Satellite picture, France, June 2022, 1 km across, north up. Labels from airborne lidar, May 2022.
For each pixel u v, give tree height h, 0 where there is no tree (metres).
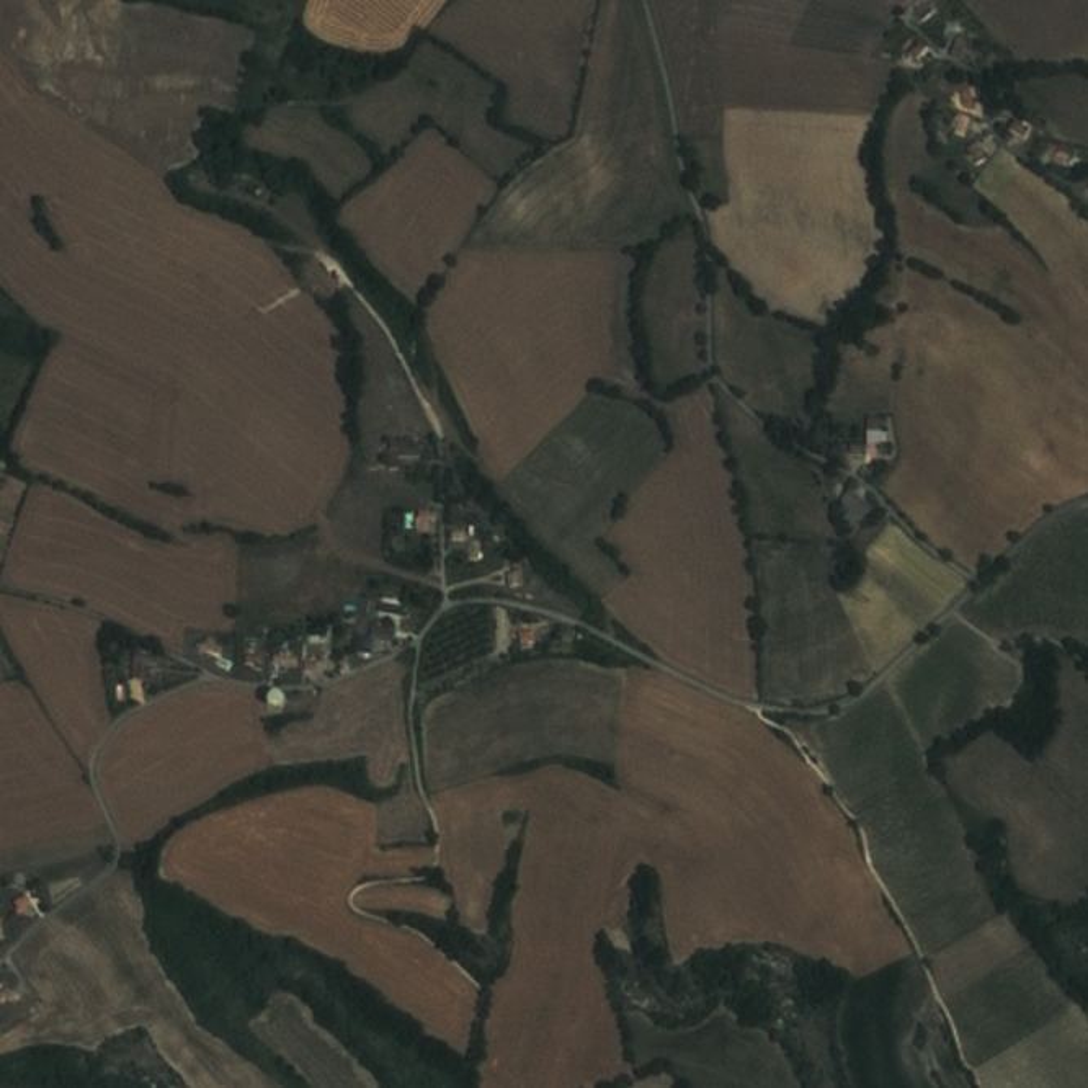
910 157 0
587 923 0
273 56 0
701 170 12
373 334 0
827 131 0
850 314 20
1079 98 0
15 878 0
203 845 0
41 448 0
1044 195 0
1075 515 0
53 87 0
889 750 0
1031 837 0
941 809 0
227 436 0
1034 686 9
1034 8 0
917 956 0
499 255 0
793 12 0
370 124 0
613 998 11
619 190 0
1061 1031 0
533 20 0
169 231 0
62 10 0
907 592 0
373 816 0
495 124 12
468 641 6
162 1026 0
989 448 0
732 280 11
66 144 0
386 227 0
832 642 0
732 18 0
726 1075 0
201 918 14
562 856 0
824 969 13
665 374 0
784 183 0
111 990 0
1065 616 0
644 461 0
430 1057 9
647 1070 9
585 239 0
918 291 0
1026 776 0
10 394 0
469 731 0
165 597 0
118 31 0
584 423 0
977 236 0
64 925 0
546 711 0
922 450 0
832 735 0
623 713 0
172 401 0
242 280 0
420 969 0
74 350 0
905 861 0
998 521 0
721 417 8
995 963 0
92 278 0
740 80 0
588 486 0
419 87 0
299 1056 0
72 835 0
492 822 0
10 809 0
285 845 0
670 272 0
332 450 0
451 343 0
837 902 0
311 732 0
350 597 0
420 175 0
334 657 9
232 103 0
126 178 0
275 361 0
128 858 10
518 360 0
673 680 0
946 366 0
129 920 0
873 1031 0
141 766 0
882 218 14
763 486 0
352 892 0
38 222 13
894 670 0
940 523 0
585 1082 0
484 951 8
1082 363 0
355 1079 0
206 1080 0
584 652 6
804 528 0
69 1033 0
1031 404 0
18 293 0
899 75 16
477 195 0
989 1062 0
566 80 0
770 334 0
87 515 0
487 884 0
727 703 0
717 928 0
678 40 0
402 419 0
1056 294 0
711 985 14
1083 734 0
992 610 0
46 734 0
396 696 0
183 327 0
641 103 0
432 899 0
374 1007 15
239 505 0
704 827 0
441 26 0
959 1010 0
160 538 8
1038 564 0
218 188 6
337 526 0
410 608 7
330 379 0
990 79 13
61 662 0
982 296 11
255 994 7
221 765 0
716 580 0
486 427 0
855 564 17
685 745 0
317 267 0
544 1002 0
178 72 0
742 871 0
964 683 0
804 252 0
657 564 0
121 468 0
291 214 0
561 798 0
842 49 0
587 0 0
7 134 0
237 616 15
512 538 8
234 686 0
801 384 0
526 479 0
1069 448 0
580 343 0
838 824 0
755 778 0
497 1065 0
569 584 7
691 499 0
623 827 0
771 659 0
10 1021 0
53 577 0
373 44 0
